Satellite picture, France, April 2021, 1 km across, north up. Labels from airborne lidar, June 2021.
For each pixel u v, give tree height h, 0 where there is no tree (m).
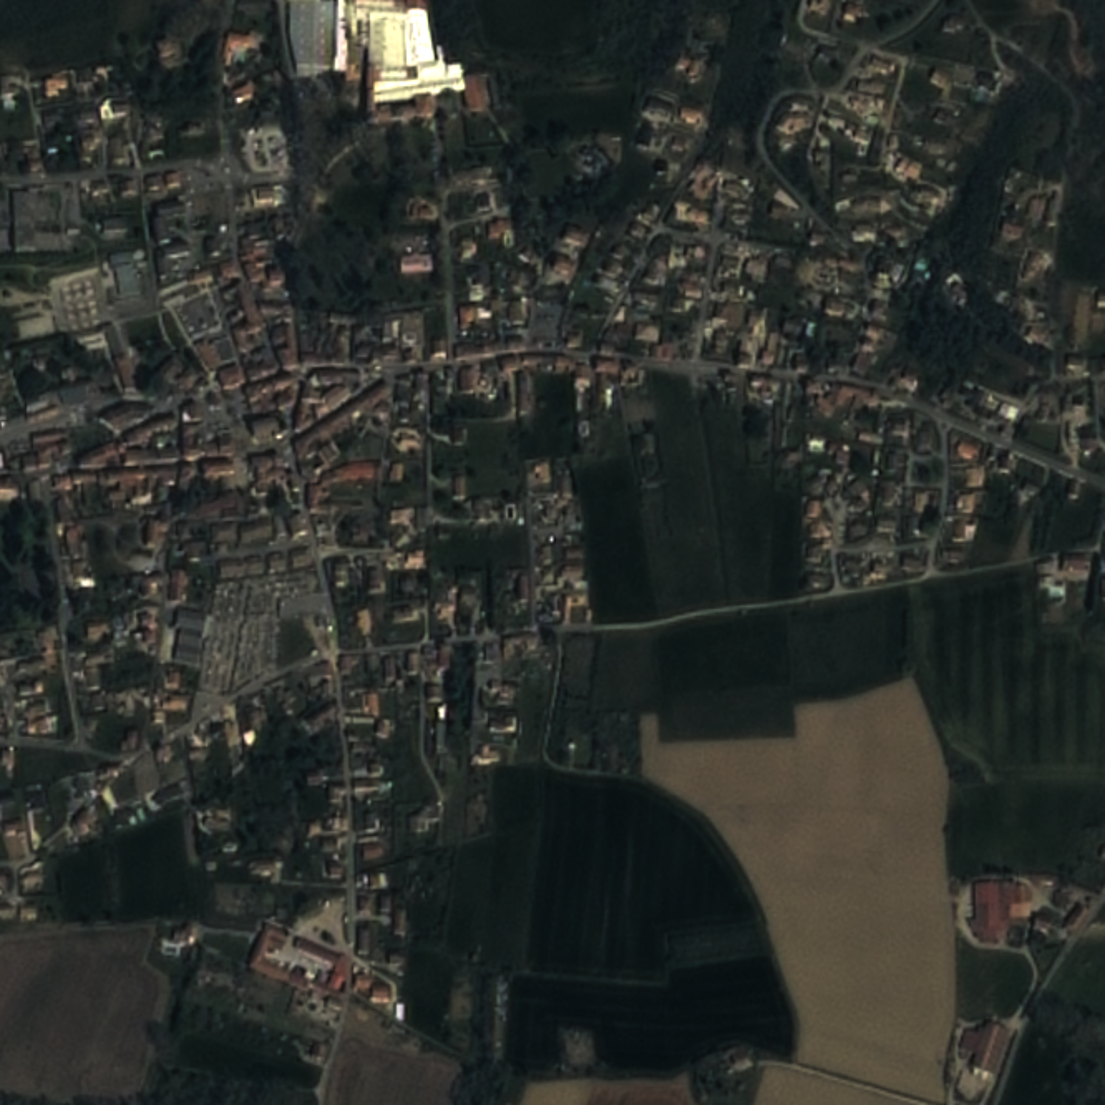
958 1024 0
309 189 32
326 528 0
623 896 0
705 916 0
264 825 7
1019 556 0
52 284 0
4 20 9
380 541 10
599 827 0
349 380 0
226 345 0
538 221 15
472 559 0
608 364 0
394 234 11
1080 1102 13
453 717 6
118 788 0
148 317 0
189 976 12
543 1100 0
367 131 26
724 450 0
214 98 15
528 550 0
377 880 0
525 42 0
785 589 0
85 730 0
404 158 23
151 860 0
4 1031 0
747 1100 0
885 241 7
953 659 0
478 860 0
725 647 0
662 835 0
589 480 0
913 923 0
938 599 0
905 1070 0
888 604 0
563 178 0
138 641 10
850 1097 0
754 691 0
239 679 0
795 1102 0
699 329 0
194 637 0
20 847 0
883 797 0
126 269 0
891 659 0
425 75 0
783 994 0
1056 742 0
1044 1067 0
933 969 0
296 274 25
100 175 0
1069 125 10
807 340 12
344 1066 0
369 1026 0
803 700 0
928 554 0
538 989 0
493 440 0
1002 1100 0
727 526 0
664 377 0
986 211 9
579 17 0
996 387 0
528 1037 0
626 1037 0
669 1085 0
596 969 0
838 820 0
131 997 0
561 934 0
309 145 33
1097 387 8
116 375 13
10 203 0
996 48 6
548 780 0
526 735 0
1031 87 12
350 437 6
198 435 0
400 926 0
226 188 0
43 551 6
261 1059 0
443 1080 0
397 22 0
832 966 0
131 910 0
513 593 6
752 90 6
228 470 0
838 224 10
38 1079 0
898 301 13
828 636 0
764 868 0
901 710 0
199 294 0
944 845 0
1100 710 0
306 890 7
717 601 0
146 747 0
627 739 10
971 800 0
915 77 0
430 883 7
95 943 0
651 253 8
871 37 0
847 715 0
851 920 0
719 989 0
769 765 0
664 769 0
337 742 11
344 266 19
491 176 7
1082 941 0
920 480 6
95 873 0
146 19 0
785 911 0
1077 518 0
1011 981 0
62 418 0
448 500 10
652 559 0
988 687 0
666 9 13
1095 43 17
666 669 0
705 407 7
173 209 0
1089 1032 27
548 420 0
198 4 25
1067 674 0
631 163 0
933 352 22
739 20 6
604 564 0
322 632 0
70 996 0
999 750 0
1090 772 0
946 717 0
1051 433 0
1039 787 0
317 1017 0
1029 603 0
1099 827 10
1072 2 12
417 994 0
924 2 0
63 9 12
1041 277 0
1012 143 8
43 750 0
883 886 0
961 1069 0
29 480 11
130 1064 0
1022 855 0
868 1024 0
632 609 0
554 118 0
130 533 15
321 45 0
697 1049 0
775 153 6
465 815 0
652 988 0
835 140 0
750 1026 0
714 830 0
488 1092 16
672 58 11
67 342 11
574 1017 0
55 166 6
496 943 0
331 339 0
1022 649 0
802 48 0
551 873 0
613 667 0
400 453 6
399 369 0
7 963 0
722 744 0
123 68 7
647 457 5
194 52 9
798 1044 0
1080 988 0
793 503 0
